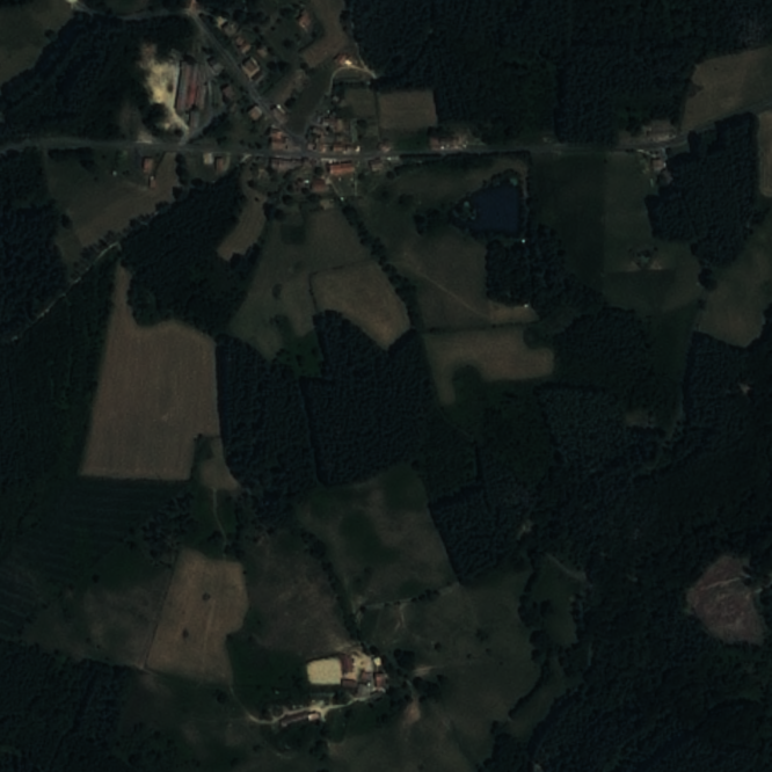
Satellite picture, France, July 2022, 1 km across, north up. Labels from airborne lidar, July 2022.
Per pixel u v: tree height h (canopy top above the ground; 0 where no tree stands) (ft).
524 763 52
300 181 22
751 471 93
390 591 0
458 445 24
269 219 41
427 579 0
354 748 0
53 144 0
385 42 52
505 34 145
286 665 0
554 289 75
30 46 0
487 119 51
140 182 0
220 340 52
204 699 0
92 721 83
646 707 91
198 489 0
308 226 0
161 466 0
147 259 51
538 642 57
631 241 0
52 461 23
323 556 53
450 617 0
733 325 0
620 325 58
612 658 70
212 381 0
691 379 51
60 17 0
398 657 44
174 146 0
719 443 88
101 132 47
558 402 105
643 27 78
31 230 92
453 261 0
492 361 0
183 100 0
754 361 93
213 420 0
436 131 40
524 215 31
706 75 0
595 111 98
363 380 100
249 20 33
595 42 79
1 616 0
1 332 105
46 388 34
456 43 65
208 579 0
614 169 0
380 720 18
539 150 0
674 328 0
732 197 99
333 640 0
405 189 0
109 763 36
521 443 23
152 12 45
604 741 97
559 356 22
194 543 0
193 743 0
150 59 0
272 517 121
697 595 0
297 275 0
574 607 32
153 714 0
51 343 32
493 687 0
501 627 0
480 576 72
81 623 0
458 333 0
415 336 75
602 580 85
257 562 0
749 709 91
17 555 0
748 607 0
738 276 0
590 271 0
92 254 74
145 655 0
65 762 32
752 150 82
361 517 0
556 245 36
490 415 31
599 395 101
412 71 74
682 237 104
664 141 0
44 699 41
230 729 0
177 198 43
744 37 86
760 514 78
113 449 0
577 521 65
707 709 53
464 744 0
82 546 0
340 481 95
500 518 77
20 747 25
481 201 0
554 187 0
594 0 63
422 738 0
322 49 0
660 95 22
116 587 0
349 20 27
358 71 0
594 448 102
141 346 0
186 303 29
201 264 27
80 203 0
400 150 0
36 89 115
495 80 70
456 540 92
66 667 32
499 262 46
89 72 119
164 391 0
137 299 32
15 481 48
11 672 65
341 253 0
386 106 0
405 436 99
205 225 37
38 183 18
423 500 0
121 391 0
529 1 113
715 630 0
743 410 95
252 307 0
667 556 71
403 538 0
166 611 0
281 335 0
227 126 43
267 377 96
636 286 0
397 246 0
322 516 0
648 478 56
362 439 105
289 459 80
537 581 52
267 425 104
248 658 0
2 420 45
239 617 0
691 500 88
